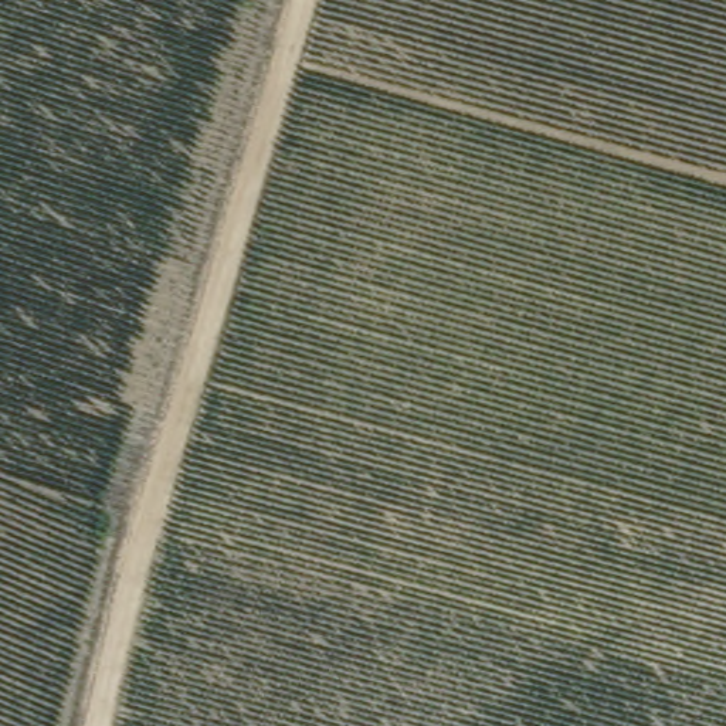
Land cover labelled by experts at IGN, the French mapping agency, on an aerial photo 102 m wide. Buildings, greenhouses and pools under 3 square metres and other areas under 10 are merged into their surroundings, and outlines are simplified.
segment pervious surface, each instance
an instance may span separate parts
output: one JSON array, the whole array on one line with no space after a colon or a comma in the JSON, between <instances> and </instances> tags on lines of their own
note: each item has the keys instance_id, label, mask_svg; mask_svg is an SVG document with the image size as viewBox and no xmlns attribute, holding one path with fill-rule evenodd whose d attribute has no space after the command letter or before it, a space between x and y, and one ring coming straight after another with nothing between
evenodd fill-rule
<instances>
[{"instance_id":1,"label":"pervious surface","mask_svg":"<svg viewBox=\"0 0 726 726\"><path fill-rule=\"evenodd\" d=\"M128 669L133 632L139 627L139 610L150 564L156 559L156 545L164 533L173 488L182 468L182 454L201 406L204 377L210 372L221 323L233 298L258 196L295 82L298 57L318 0L286 0L275 37L272 62L264 79L264 94L247 128L244 159L235 167L224 216L213 241L213 255L204 267L193 335L184 343L182 363L167 397L164 420L153 434L153 454L139 471L136 493L130 499L128 530L116 562L116 587L111 596L108 618L102 624L96 658L88 672L82 726L113 726L116 698Z\"/></svg>"}]
</instances>

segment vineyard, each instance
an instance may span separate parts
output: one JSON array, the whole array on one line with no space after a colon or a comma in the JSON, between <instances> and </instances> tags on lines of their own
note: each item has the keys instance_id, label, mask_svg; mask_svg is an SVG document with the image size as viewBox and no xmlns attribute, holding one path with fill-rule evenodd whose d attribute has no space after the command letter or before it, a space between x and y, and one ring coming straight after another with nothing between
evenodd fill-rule
<instances>
[{"instance_id":1,"label":"vineyard","mask_svg":"<svg viewBox=\"0 0 726 726\"><path fill-rule=\"evenodd\" d=\"M116 587L116 562L128 530L130 499L136 493L139 471L153 454L153 434L164 420L167 397L182 363L184 343L193 335L204 267L213 255L213 241L224 216L235 167L244 159L247 128L264 94L264 79L272 62L275 37L286 0L0 0L0 726L82 726L88 672L96 658L102 624L108 618L111 596Z\"/></svg>"},{"instance_id":2,"label":"vineyard","mask_svg":"<svg viewBox=\"0 0 726 726\"><path fill-rule=\"evenodd\" d=\"M139 610L139 627L133 632L128 669L116 698L113 726L726 726L726 0L318 0L298 57L295 82L258 196L233 298L221 323L210 372L204 377L201 406L182 454L182 468L173 488L164 533L156 545L156 559L150 564Z\"/></svg>"}]
</instances>

